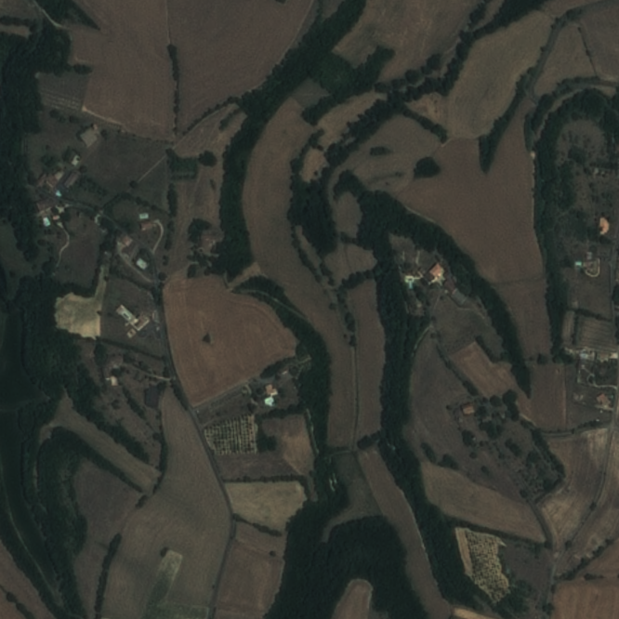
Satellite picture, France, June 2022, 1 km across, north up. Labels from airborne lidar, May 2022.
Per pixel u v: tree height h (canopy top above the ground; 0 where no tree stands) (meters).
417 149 0
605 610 0
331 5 0
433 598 0
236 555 0
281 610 11
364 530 14
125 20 0
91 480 0
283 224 0
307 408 10
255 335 0
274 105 20
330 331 0
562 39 0
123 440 13
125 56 0
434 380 0
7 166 13
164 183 0
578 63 0
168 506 0
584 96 14
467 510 0
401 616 14
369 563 12
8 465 0
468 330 0
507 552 0
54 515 11
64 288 13
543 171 16
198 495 0
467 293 7
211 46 0
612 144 6
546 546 8
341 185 14
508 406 10
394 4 0
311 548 13
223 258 15
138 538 0
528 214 0
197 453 0
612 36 0
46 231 8
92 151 0
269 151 0
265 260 0
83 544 6
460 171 0
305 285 0
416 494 15
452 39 0
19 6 0
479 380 0
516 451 11
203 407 0
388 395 17
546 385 0
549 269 8
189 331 0
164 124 0
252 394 7
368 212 15
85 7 0
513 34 0
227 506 0
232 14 0
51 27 13
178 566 0
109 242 6
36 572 15
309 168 0
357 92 18
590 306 0
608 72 0
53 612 8
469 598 8
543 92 0
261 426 7
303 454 0
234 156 16
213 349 0
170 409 0
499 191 0
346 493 16
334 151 19
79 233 0
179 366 0
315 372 12
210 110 10
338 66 6
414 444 0
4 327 0
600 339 0
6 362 0
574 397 0
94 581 0
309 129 0
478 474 0
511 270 0
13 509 0
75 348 10
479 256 0
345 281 12
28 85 11
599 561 0
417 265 0
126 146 0
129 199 6
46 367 11
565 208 7
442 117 0
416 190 0
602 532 0
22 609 12
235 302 0
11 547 11
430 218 0
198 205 0
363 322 0
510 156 0
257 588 0
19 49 14
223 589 0
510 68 0
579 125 0
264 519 0
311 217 25
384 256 18
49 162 11
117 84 0
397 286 15
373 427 0
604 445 0
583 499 0
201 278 0
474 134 0
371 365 0
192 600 0
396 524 0
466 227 0
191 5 0
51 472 8
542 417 0
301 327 13
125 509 0
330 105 14
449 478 0
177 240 0
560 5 0
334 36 18
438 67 16
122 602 0
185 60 0
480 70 0
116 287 0
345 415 0
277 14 0
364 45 0
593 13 0
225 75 0
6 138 17
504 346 12
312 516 14
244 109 10
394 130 0
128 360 8
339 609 0
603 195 7
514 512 0
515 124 0
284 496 0
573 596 0
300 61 19
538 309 0
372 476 0
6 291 35
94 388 8
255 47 0
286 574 12
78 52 0
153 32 0
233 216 17
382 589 12
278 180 0
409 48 0
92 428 0
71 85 0
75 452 12
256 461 0
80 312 0
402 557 17
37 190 7
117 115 0
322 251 12
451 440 0
